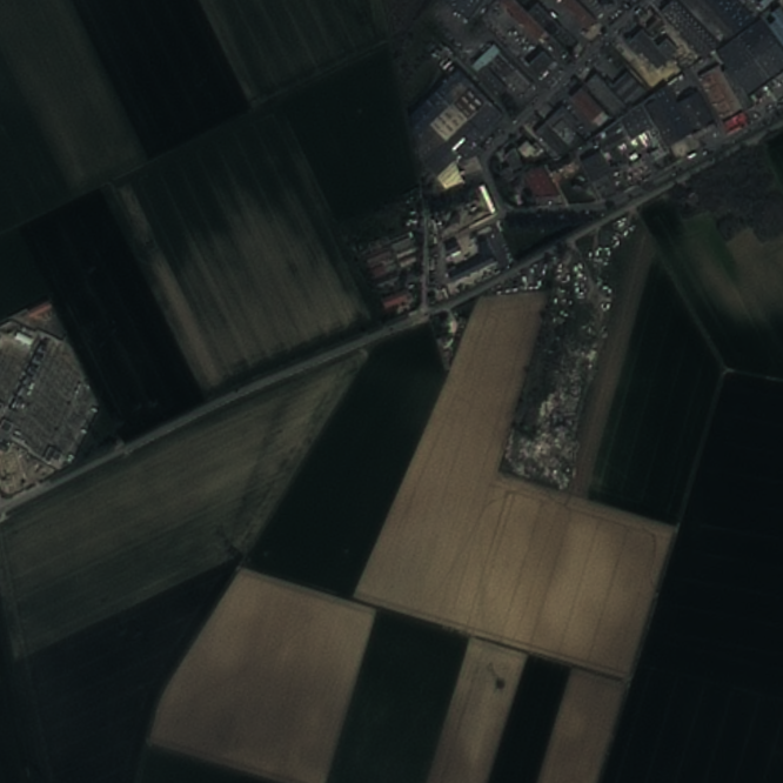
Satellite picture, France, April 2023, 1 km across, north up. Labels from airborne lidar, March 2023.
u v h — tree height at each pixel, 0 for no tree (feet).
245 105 0
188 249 0
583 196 0
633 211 0
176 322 0
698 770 0
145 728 0
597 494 0
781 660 0
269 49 0
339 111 0
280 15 0
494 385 0
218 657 0
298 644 0
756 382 0
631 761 0
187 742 0
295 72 0
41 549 0
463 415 0
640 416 0
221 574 0
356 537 0
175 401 0
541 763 0
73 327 0
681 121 0
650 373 0
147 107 0
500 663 0
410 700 0
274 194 0
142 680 0
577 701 0
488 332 0
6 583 0
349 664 0
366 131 0
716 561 0
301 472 0
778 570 0
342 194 0
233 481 0
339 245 0
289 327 0
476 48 0
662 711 0
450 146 0
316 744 0
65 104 0
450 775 0
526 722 0
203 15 0
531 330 0
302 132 0
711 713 0
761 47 0
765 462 0
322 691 0
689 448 0
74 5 0
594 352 0
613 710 0
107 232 0
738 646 0
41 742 0
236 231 0
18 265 0
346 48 0
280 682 0
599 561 0
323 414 0
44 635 0
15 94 0
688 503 0
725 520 0
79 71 0
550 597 0
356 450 0
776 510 0
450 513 0
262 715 0
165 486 0
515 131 0
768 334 0
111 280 0
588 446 0
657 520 0
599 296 0
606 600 0
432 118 0
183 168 0
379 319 0
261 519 0
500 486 0
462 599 0
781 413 0
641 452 0
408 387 0
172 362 0
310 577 0
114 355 0
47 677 0
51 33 0
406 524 0
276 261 0
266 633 0
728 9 0
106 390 0
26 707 0
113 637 0
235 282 0
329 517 0
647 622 0
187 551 0
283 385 0
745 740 0
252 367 0
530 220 38
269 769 0
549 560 0
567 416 0
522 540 0
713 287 0
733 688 0
